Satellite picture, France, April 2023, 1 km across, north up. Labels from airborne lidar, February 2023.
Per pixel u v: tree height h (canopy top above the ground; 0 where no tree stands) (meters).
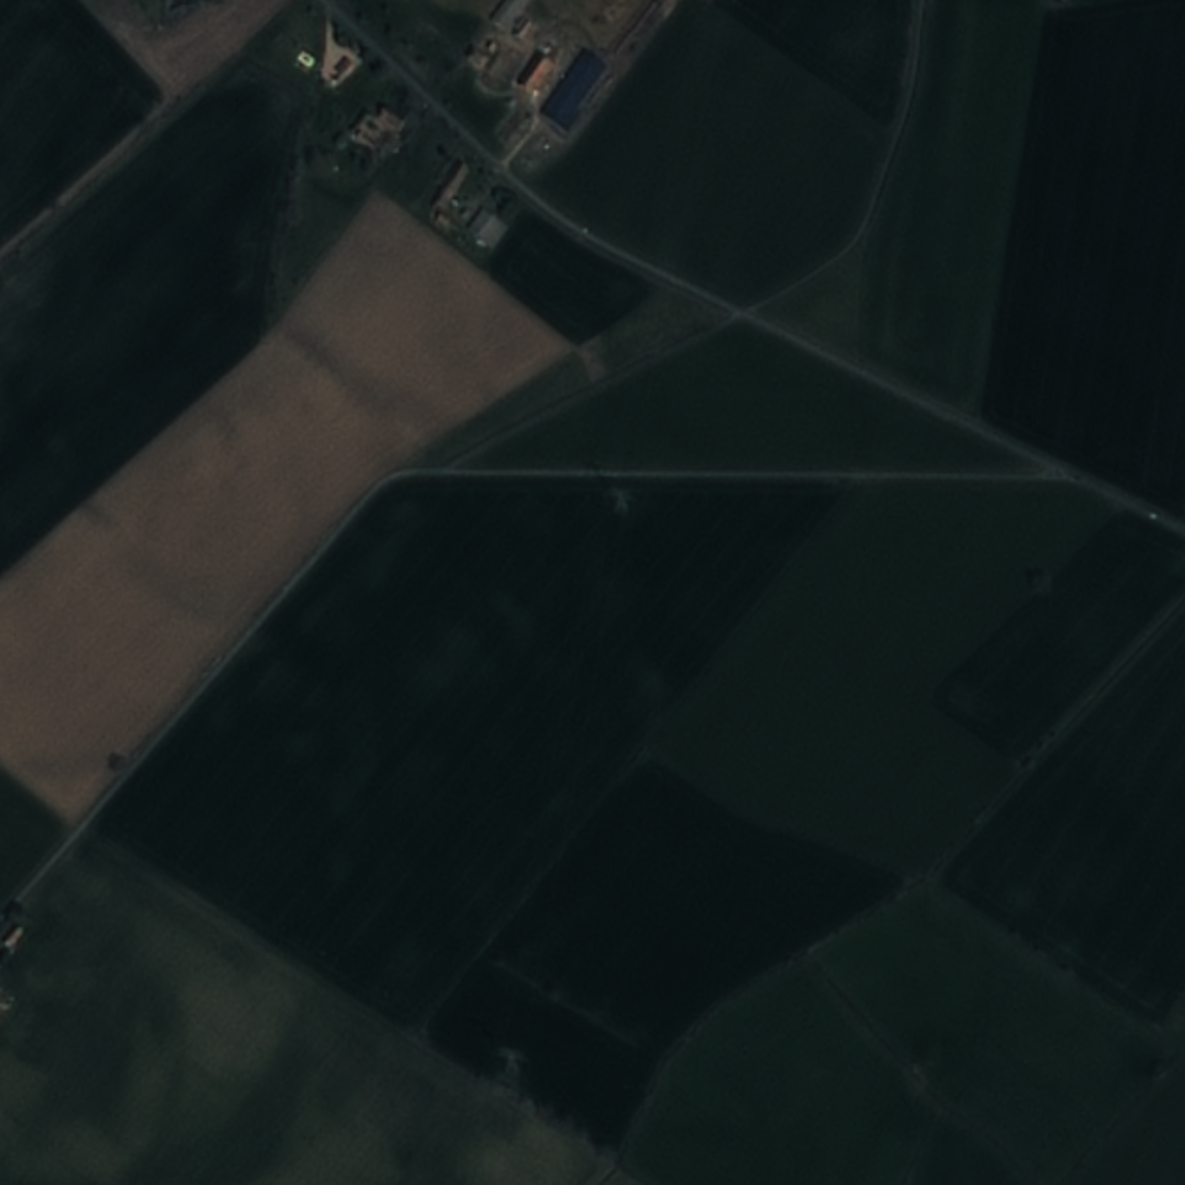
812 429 0
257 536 0
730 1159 0
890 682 0
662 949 0
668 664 0
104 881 0
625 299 0
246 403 0
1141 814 0
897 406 0
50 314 0
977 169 0
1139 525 0
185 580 0
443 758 0
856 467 0
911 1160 0
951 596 0
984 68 0
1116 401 0
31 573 0
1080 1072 0
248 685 0
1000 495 0
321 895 0
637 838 0
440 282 0
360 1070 0
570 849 0
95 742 0
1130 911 0
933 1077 0
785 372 0
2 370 0
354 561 0
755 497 0
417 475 0
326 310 0
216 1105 0
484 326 0
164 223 0
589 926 0
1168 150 0
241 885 0
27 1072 0
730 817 0
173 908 0
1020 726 0
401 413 0
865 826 0
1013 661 0
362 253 0
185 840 0
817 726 0
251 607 0
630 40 0
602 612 0
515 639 0
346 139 8
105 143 0
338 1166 0
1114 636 0
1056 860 0
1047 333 0
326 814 0
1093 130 0
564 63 0
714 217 0
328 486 0
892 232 0
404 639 0
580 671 0
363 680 0
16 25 0
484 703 0
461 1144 0
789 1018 0
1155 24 0
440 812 0
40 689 0
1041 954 6
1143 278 0
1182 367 0
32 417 0
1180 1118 0
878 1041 0
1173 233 0
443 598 0
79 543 0
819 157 0
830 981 0
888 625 0
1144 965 0
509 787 0
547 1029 0
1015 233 0
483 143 0
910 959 0
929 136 0
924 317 0
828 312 0
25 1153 0
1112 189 0
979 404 0
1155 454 0
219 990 0
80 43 0
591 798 0
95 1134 0
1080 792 0
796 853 0
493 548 0
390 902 0
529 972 0
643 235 0
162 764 0
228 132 0
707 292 0
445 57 0
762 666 0
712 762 0
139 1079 0
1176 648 0
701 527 0
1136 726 0
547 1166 0
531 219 0
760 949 0
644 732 0
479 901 0
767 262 0
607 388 0
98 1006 0
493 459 0
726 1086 0
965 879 0
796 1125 0
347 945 0
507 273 0
